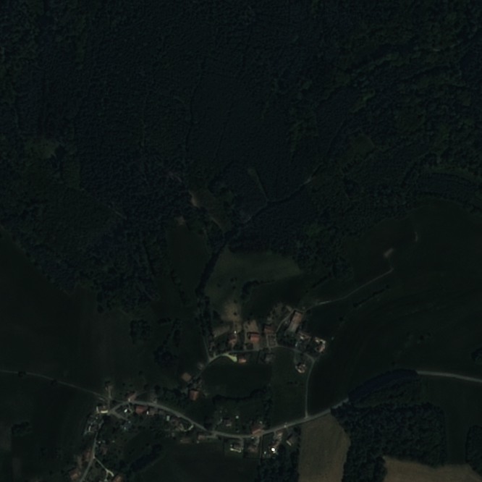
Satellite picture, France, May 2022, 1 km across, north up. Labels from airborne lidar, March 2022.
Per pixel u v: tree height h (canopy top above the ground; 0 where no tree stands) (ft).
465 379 0
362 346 0
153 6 49
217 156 50
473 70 82
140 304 91
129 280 71
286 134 53
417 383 75
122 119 45
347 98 82
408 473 0
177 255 0
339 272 104
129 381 0
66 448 0
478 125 108
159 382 0
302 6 85
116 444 0
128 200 90
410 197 30
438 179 35
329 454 0
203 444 0
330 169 31
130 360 0
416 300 0
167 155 35
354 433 53
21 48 73
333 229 80
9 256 0
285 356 0
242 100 59
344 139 52
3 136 95
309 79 84
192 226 59
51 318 0
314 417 0
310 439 0
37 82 98
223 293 0
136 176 78
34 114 105
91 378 0
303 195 73
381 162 23
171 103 35
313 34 95
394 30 40
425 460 66
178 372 0
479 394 0
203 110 47
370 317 0
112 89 59
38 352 0
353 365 0
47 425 0
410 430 83
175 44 38
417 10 81
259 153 61
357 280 0
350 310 0
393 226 0
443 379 0
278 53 80
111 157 66
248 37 85
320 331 0
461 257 0
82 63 72
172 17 46
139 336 73
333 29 46
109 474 0
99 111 66
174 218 63
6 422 0
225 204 43
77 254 21
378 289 0
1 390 0
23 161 78
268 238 75
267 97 65
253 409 0
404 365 0
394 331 0
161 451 61
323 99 97
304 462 0
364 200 28
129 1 49
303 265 51
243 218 90
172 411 0
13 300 0
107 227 21
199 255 0
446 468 0
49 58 104
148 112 28
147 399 0
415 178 43
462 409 0
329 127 87
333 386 0
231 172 90
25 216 84
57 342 0
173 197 47
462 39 67
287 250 68
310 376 0
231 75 54
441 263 0
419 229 0
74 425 0
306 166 61
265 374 0
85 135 90
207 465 0
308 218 76
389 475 0
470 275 0
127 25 63
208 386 0
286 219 76
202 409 0
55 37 91
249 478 0
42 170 22
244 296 40
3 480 0
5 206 66
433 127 101
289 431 0
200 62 22
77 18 78
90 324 0
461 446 0
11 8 87
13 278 0
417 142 24
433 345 0
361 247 0
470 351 0
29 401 0
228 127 58
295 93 83
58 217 20
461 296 0
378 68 71
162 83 43
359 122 88
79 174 96
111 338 0
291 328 0
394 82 76
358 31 76
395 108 89
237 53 66
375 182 25
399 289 0
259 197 84
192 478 0
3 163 102
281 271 0
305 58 81
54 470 0
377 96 76
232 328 0
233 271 0
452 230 0
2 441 0
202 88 58
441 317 0
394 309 0
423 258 0
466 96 111
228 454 0
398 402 52
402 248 0
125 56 58
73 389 0
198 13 39
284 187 63
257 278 0
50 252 70
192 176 38
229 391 0
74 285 33
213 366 0
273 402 40
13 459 0
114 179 82
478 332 0
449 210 0
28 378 0
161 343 0
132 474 50
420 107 83
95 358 0
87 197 30
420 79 104
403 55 99
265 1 82
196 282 0
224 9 45
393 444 40
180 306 0
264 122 54
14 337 0
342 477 0
